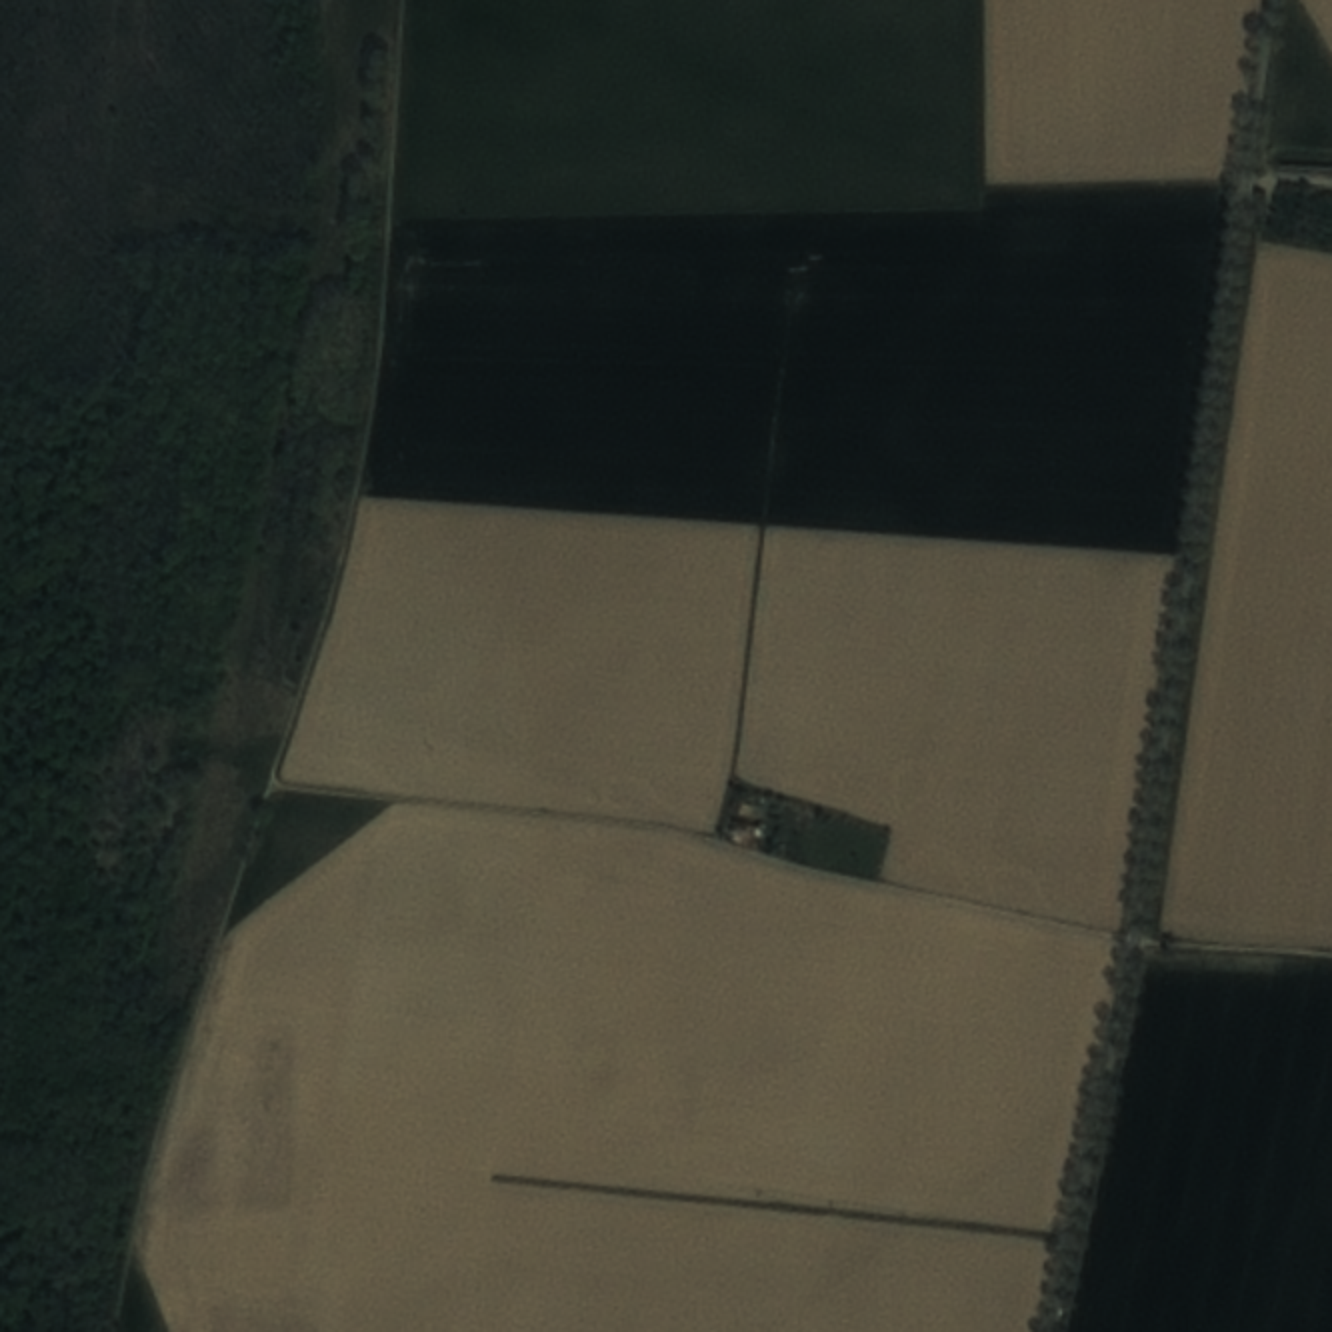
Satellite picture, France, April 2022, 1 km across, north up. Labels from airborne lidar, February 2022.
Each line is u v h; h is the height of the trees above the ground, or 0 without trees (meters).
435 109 0
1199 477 14
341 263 0
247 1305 0
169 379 23
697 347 0
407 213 0
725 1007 0
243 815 0
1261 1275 0
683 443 0
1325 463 0
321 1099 0
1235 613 0
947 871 0
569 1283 0
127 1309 0
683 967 0
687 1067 0
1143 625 0
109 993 17
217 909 0
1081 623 0
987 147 0
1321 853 0
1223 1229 0
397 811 0
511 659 0
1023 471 0
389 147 13
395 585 0
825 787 0
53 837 23
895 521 0
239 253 23
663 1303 0
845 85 0
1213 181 0
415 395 0
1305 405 0
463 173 0
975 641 0
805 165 0
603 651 0
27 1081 15
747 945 0
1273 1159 0
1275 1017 0
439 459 0
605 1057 0
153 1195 0
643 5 0
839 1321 0
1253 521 0
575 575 0
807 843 0
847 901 0
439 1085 0
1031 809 0
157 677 20
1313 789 0
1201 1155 0
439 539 0
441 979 0
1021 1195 0
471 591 0
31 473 23
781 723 0
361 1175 0
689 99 0
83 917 17
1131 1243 0
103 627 20
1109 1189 0
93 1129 16
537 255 0
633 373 0
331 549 14
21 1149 24
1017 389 0
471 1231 0
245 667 0
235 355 23
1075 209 0
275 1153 0
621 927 0
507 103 0
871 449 0
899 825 0
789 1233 0
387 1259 0
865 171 0
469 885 0
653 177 0
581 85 0
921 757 0
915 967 0
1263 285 0
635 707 0
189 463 20
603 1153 0
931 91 0
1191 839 0
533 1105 0
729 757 0
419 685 0
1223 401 15
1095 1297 0
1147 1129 0
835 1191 0
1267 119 15
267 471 12
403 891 0
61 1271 22
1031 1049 0
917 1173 0
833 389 0
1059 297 0
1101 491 0
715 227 0
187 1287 0
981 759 0
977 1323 0
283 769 0
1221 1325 0
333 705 0
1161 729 14
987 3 0
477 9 0
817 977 0
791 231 0
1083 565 0
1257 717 0
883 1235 0
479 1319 0
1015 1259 0
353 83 0
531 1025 0
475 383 0
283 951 0
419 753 0
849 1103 0
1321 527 0
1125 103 0
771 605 0
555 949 0
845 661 0
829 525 0
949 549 0
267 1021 0
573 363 0
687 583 0
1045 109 0
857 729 0
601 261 0
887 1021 0
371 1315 0
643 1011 0
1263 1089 0
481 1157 0
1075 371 0
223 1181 0
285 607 0
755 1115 0
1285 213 8
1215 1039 0
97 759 22
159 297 18
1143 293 0
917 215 0
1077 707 0
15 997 20
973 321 0
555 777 0
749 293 0
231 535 16
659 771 0
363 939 0
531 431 0
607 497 0
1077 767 0
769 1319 0
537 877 0
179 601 14
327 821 0
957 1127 0
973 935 0
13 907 20
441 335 0
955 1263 0
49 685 21
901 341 0
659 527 0
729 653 0
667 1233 0
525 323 0
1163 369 0
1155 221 0
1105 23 0
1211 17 0
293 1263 0
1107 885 0
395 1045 0
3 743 19
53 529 21
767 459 0
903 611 0
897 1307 0
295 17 14
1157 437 0
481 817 0
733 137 0
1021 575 0
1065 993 0
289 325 20
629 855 0
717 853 0
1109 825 0
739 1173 0
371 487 0
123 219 0
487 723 0
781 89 0
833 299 0
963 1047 0
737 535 0
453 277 0
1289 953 0
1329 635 0
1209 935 0
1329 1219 0
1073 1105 0
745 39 0
